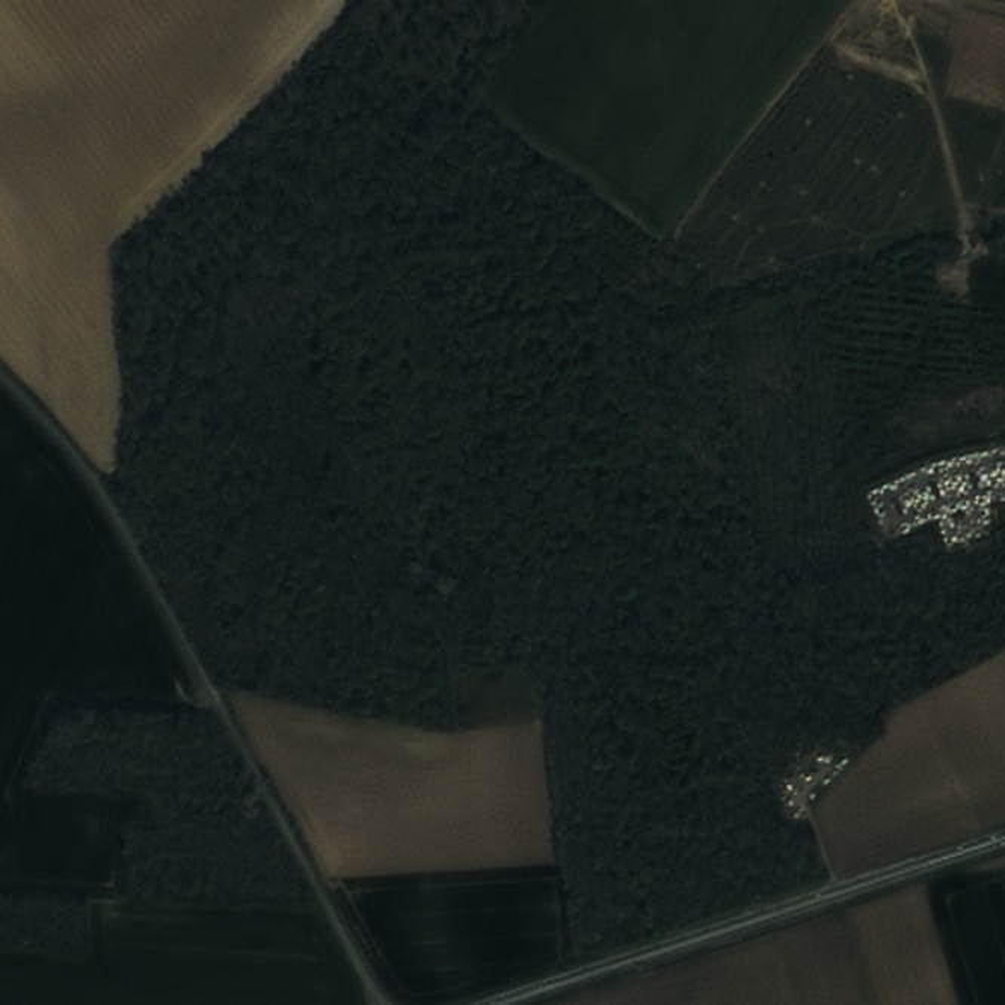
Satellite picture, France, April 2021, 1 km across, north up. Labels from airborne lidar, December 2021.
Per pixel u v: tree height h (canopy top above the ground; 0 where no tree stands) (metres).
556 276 22
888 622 20
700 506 23
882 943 0
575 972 0
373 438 25
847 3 0
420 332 25
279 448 20
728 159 0
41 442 0
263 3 0
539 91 0
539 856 0
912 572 21
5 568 0
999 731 0
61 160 0
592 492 24
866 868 0
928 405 0
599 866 25
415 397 23
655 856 20
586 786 21
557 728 20
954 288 0
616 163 0
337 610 18
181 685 0
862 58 0
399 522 26
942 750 0
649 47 0
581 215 19
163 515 19
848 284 0
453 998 0
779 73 0
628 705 22
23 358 0
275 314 25
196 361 29
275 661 27
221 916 0
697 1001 0
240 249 10
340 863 0
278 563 18
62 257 0
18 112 0
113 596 0
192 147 0
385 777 0
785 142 0
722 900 18
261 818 10
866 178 0
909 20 0
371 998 0
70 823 0
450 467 19
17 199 0
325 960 0
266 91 0
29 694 0
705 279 0
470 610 22
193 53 0
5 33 0
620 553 19
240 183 16
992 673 0
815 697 11
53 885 0
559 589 20
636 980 0
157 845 20
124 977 0
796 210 0
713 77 0
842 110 0
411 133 10
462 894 0
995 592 10
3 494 0
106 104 0
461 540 21
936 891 0
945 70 0
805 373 11
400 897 0
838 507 13
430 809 0
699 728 20
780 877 15
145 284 25
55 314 0
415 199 12
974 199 0
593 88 0
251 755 0
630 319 24
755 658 20
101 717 25
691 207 0
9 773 0
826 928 0
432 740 0
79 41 0
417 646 25
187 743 20
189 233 18
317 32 0
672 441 19
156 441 27
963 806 0
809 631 26
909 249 10
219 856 17
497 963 0
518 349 28
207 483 22
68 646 0
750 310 11
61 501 0
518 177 22
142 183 0
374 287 26
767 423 12
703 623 11
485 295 16
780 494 10
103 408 0
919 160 0
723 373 10
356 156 20
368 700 19
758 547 12
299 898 15
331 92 17
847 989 0
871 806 0
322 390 23
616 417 22
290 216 30
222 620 16
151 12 0
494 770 0
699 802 31
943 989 0
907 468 0
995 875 0
